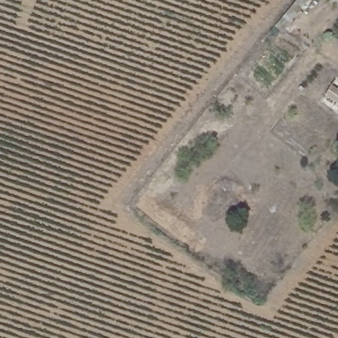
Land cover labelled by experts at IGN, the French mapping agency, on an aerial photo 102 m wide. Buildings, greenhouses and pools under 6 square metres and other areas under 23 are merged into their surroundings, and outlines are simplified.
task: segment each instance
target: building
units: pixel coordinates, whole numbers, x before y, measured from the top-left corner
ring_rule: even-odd
[[[322,99],[322,103],[331,110],[338,108],[338,94],[329,90]]]

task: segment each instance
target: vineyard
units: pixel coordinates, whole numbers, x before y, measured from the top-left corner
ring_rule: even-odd
[[[269,4],[268,0],[0,0],[0,338],[338,338],[338,223],[334,220],[316,220],[310,232],[317,232],[317,235],[309,244],[301,244],[304,252],[294,260],[292,269],[285,273],[284,279],[276,285],[269,292],[263,305],[256,305],[248,297],[224,289],[220,273],[201,267],[185,252],[181,252],[173,244],[166,242],[162,236],[149,230],[153,220],[139,207],[131,210],[123,203],[116,203],[114,211],[100,209],[92,206],[92,203],[99,203],[98,199],[86,198],[86,194],[100,199],[106,197],[110,187],[119,181],[121,174],[136,160],[144,145],[153,140],[161,125],[168,121],[172,112],[180,106],[182,100],[185,100],[187,90],[191,90],[198,79],[207,73],[211,63],[217,62],[222,51],[226,51],[227,42],[231,41],[234,34],[246,24],[248,18],[255,15],[257,8]]]

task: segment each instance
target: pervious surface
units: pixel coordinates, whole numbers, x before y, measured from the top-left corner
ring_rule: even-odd
[[[198,79],[191,90],[187,90],[185,100],[182,100],[180,106],[172,112],[168,121],[161,125],[153,140],[144,145],[136,160],[121,174],[119,181],[110,187],[106,197],[100,199],[86,194],[86,198],[98,199],[99,203],[92,203],[92,206],[100,209],[114,211],[116,203],[123,203],[131,210],[139,207],[153,220],[149,230],[162,236],[166,242],[173,244],[181,252],[185,252],[201,267],[220,273],[224,267],[235,271],[236,265],[242,263],[248,272],[252,272],[260,280],[276,285],[284,279],[285,273],[292,269],[294,260],[304,252],[301,244],[309,244],[317,235],[317,232],[310,232],[302,231],[298,224],[300,202],[310,203],[316,207],[316,220],[334,220],[338,223],[338,108],[331,110],[322,103],[322,99],[329,90],[338,94],[338,0],[268,0],[269,4],[257,8],[255,15],[248,18],[246,24],[234,34],[231,41],[227,42],[226,51],[222,51],[217,62],[211,63],[207,73]],[[276,57],[283,49],[287,50],[292,58],[285,63],[279,78],[273,79],[267,86],[257,81],[256,67],[263,66],[265,61]],[[218,135],[218,151],[209,160],[202,161],[201,165],[194,165],[187,181],[178,180],[174,172],[178,151],[189,144],[190,140],[205,132],[210,132],[213,137]],[[226,214],[231,215],[239,209],[250,211],[247,226],[242,232],[231,231],[226,223]]]

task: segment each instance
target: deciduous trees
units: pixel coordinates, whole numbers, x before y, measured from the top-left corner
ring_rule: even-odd
[[[302,231],[310,232],[316,220],[316,207],[310,203],[300,202],[298,224]]]
[[[242,232],[247,226],[250,211],[239,209],[231,215],[226,214],[226,223],[231,231]]]
[[[248,297],[256,305],[263,305],[269,292],[276,285],[260,280],[252,272],[248,272],[242,263],[236,265],[235,271],[224,267],[220,273],[224,289]]]
[[[178,151],[174,172],[178,180],[187,181],[194,165],[201,165],[202,161],[209,160],[218,151],[218,135],[213,137],[210,132],[205,132],[190,140],[189,144]]]
[[[285,63],[292,58],[287,50],[283,49],[276,57],[265,61],[263,66],[256,67],[257,81],[267,86],[273,79],[279,78]]]

